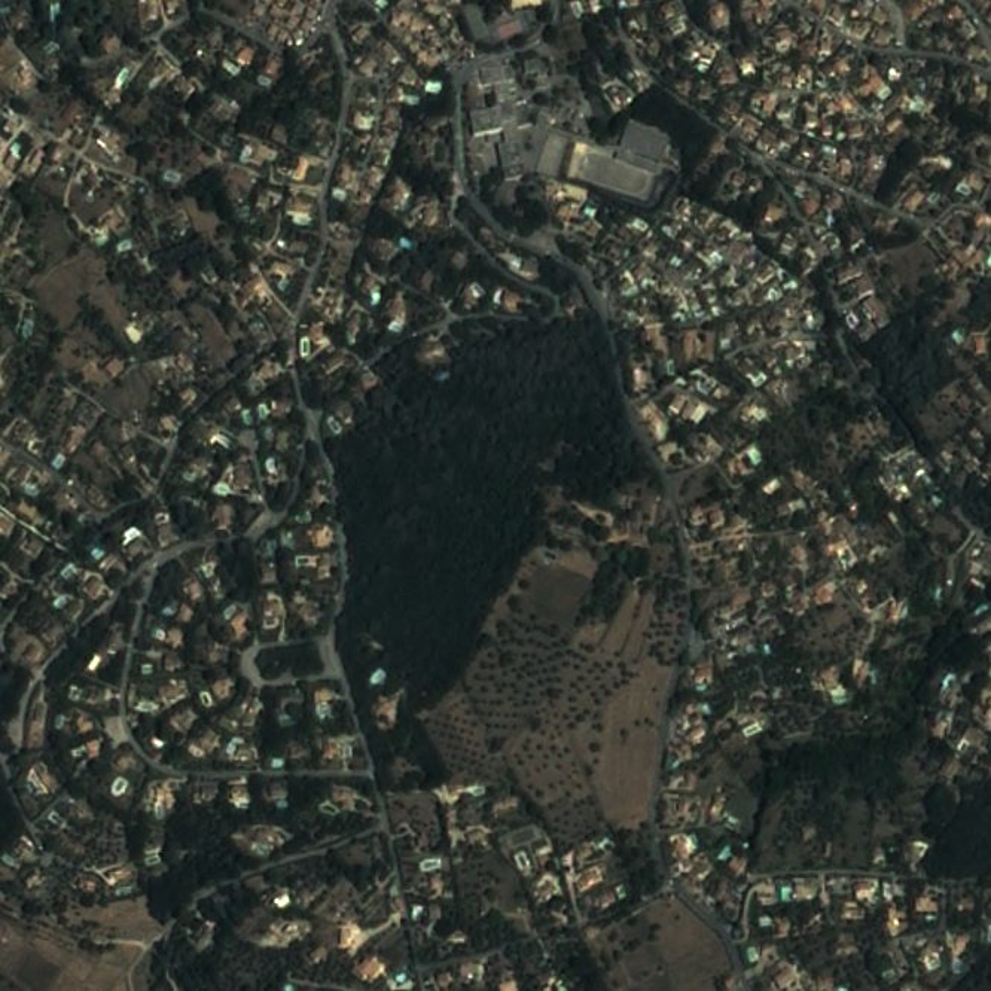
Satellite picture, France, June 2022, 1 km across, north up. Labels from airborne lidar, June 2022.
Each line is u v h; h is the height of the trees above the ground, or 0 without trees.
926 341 20
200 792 7
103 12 12
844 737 7
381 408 20
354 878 11
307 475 10
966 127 11
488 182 13
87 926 6
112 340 6
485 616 10
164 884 12
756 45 15
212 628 11
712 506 11
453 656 12
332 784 11
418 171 10
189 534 19
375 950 7
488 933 8
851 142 8
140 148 16
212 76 6
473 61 0
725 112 8
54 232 0
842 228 11
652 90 9
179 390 7
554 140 0
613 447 12
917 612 9
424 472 10
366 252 9
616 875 0
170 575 16
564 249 9
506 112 0
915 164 15
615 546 11
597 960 9
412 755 14
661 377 14
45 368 9
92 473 6
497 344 18
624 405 8
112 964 0
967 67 9
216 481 7
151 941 0
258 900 14
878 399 9
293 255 6
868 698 10
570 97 9
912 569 8
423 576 13
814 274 7
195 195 11
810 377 8
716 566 12
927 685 12
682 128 13
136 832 13
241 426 6
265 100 7
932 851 9
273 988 11
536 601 0
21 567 10
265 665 9
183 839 17
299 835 14
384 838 9
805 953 8
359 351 7
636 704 0
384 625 11
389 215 12
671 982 0
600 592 14
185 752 14
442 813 10
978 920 8
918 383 20
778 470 10
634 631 0
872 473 22
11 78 0
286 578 15
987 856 9
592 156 0
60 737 17
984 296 17
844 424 9
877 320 0
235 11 7
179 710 7
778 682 7
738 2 11
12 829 15
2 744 13
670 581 8
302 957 7
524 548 12
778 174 6
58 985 0
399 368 19
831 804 6
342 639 10
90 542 7
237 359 9
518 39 10
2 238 13
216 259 13
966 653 15
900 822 8
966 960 13
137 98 8
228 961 7
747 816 0
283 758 9
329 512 13
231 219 9
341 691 11
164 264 8
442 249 13
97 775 15
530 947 10
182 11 12
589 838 7
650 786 0
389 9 7
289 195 8
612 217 11
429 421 15
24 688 18
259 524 0
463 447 11
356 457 12
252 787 11
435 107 11
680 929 0
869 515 16
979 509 8
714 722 7
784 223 17
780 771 20
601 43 12
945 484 18
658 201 0
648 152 0
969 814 12
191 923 19
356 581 10
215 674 12
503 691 6
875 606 8
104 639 6
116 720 0
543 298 16
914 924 6
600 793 0
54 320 9
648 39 11
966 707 6
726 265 6
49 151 17
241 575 11
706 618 10
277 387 9
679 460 8
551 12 13
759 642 6
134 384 0
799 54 6
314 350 0
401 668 11
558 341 20
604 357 18
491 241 6
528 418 8
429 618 12
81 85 10
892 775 5
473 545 10
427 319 8
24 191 21
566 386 16
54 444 6
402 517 13
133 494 11
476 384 14
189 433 9
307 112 12
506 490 11
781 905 7
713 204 10
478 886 6
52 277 0
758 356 7
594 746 8
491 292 8
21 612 8
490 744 6
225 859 11
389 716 7
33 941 0
